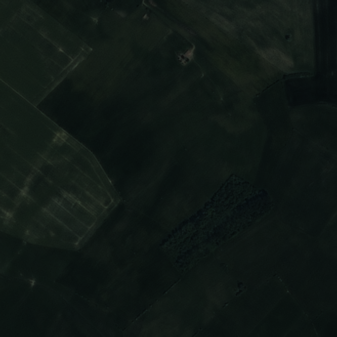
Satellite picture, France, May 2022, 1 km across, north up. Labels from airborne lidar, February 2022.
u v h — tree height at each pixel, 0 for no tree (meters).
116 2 0
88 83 0
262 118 0
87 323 0
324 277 0
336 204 0
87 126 0
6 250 0
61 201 0
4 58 0
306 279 0
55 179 0
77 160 0
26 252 0
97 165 0
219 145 0
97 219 0
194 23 0
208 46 0
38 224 0
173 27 0
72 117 0
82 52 0
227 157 0
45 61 0
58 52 0
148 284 0
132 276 0
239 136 0
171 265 0
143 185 0
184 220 0
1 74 0
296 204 0
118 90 0
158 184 0
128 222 0
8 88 0
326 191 0
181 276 0
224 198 10
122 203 0
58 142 0
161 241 0
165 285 0
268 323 0
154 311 0
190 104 0
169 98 0
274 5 0
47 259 0
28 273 0
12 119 0
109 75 0
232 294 0
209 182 0
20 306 0
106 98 0
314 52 0
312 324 0
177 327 0
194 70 0
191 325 0
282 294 0
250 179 0
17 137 0
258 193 8
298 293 0
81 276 0
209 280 0
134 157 0
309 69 0
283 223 0
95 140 0
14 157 0
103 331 0
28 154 0
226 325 0
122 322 0
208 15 0
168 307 0
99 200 0
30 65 0
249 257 0
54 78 0
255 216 17
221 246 0
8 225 0
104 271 0
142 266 0
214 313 0
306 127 0
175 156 0
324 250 0
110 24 0
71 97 0
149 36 0
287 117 0
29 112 0
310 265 0
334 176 0
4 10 0
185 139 0
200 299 0
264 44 0
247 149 0
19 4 0
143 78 0
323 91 0
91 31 0
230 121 0
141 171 0
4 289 0
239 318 0
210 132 0
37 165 0
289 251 0
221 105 0
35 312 0
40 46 0
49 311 0
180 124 0
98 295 0
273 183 0
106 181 0
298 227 0
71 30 0
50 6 0
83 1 0
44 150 0
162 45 0
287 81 0
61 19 0
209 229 13
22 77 0
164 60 0
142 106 0
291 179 0
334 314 0
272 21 0
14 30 0
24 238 0
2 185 0
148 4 0
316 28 0
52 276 0
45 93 0
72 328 0
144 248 0
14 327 0
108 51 0
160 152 0
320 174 0
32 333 0
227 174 0
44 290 0
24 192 0
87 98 0
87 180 0
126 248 0
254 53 0
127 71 0
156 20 0
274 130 0
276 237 0
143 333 0
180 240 12
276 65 0
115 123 0
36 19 0
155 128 0
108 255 0
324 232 0
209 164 0
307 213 0
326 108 0
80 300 0
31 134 0
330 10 0
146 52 0
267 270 0
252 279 0
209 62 0
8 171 0
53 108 0
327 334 0
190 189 0
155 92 0
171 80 0
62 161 0
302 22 0
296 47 0
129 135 0
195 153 0
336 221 0
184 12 0
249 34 0
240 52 0
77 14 0
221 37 0
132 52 0
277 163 0
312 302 0
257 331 0
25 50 0
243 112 0
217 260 0
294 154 0
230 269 0
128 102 0
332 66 0
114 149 0
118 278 0
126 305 0
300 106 0
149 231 0
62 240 0
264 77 0
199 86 0
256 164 0
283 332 0
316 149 0
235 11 0
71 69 0
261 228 0
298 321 0
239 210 27
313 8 0
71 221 0
